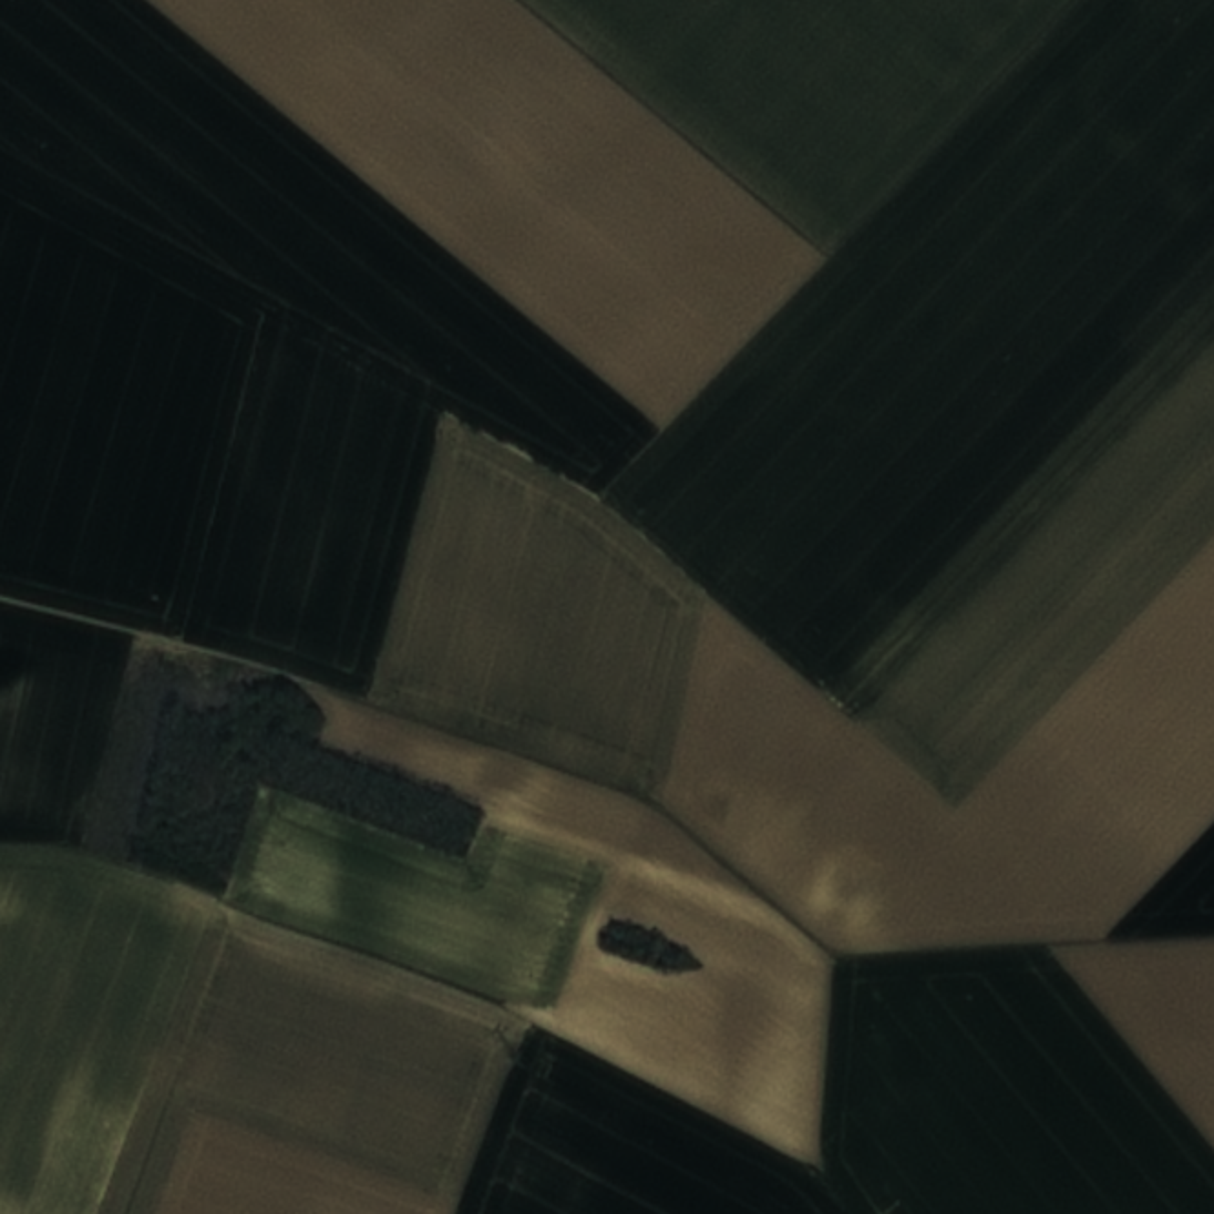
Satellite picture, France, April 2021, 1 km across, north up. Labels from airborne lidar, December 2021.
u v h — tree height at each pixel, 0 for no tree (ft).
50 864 0
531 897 0
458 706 0
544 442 0
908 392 0
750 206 0
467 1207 0
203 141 0
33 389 0
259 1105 0
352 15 0
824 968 0
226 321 0
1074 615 0
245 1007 0
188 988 0
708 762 0
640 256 0
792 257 0
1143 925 0
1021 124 0
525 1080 0
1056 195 0
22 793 0
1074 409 0
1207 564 0
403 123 0
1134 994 0
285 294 0
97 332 0
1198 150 0
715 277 0
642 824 0
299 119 0
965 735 0
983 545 0
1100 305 0
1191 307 0
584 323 0
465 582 0
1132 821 0
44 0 0
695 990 0
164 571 0
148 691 0
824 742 0
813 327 0
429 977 0
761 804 0
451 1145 0
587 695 0
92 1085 0
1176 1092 0
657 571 0
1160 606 0
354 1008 0
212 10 0
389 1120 0
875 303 0
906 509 0
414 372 0
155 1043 0
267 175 0
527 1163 0
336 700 0
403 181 0
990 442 0
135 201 0
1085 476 0
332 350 0
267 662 0
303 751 56
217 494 0
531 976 0
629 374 0
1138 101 0
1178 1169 0
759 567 0
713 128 0
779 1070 0
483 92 0
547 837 0
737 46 0
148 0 0
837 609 0
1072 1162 0
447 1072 0
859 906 0
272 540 0
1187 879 0
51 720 0
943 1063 0
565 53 0
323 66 0
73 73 0
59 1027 0
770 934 0
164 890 0
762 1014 0
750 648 0
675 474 0
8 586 0
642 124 0
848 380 0
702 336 0
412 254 0
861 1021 0
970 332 0
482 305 0
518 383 0
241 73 0
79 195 0
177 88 0
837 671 0
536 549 0
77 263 0
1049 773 0
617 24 0
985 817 0
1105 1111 0
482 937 0
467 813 49
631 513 0
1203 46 0
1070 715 0
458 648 0
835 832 0
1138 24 0
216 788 44
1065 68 0
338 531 0
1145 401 0
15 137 0
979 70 0
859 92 0
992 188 0
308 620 0
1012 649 0
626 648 0
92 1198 0
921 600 0
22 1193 0
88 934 0
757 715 0
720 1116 0
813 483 0
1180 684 0
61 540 0
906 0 0
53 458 0
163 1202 0
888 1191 0
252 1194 0
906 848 0
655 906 0
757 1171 0
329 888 0
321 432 0
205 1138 0
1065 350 0
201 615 0
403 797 59
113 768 0
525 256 0
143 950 0
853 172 0
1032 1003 0
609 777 0
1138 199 0
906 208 0
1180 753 0
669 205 0
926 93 0
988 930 0
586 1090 0
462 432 0
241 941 0
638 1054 0
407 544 0
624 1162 0
